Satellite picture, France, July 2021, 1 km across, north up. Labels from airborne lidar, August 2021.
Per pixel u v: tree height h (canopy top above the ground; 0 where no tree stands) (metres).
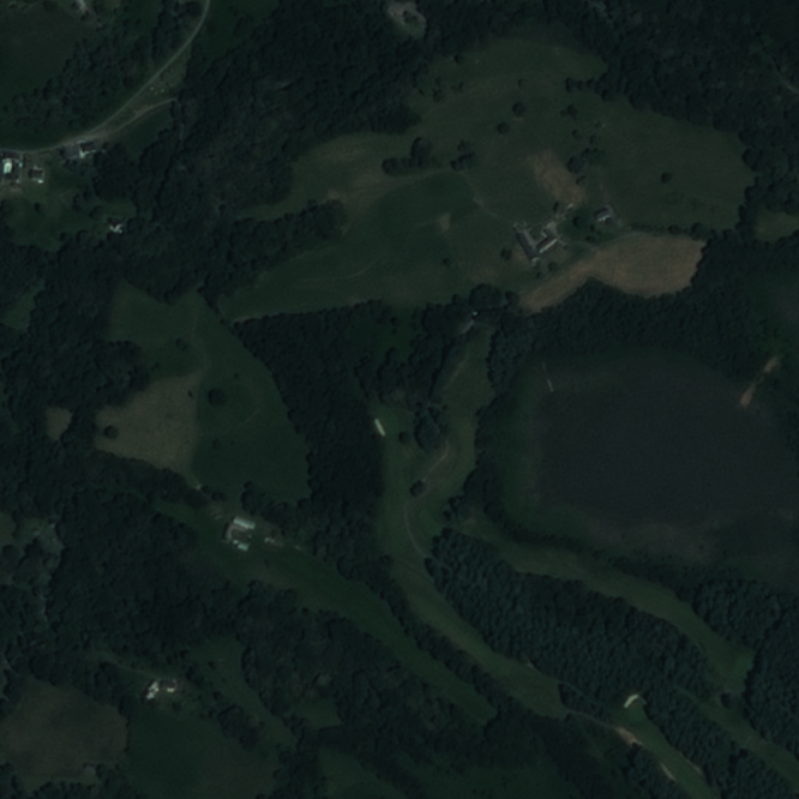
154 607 23
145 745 0
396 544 0
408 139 0
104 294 21
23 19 0
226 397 14
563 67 0
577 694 9
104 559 24
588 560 0
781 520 0
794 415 9
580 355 8
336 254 0
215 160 18
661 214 0
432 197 0
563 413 0
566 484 0
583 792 10
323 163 0
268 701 14
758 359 10
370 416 12
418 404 17
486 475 14
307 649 24
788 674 26
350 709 14
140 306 0
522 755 9
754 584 21
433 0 26
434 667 0
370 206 0
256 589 17
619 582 0
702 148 0
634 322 20
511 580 34
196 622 23
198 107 17
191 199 21
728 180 0
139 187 23
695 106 30
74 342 22
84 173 24
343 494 24
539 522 0
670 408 0
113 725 0
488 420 15
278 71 21
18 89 0
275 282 0
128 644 20
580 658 32
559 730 16
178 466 0
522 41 0
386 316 18
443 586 11
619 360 0
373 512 15
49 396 27
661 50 21
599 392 0
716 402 0
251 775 0
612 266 0
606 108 0
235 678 0
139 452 0
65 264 24
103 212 9
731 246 22
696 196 0
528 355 24
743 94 22
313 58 26
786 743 36
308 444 8
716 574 13
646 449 0
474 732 12
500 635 30
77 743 0
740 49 21
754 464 0
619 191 0
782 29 18
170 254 20
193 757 0
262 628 21
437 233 0
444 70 0
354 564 19
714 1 17
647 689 36
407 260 0
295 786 7
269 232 25
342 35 15
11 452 17
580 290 8
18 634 22
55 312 22
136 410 0
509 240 0
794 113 23
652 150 0
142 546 20
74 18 0
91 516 30
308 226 27
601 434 0
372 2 8
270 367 18
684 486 0
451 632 0
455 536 34
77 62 10
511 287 0
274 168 24
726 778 28
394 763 10
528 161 0
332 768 0
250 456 0
